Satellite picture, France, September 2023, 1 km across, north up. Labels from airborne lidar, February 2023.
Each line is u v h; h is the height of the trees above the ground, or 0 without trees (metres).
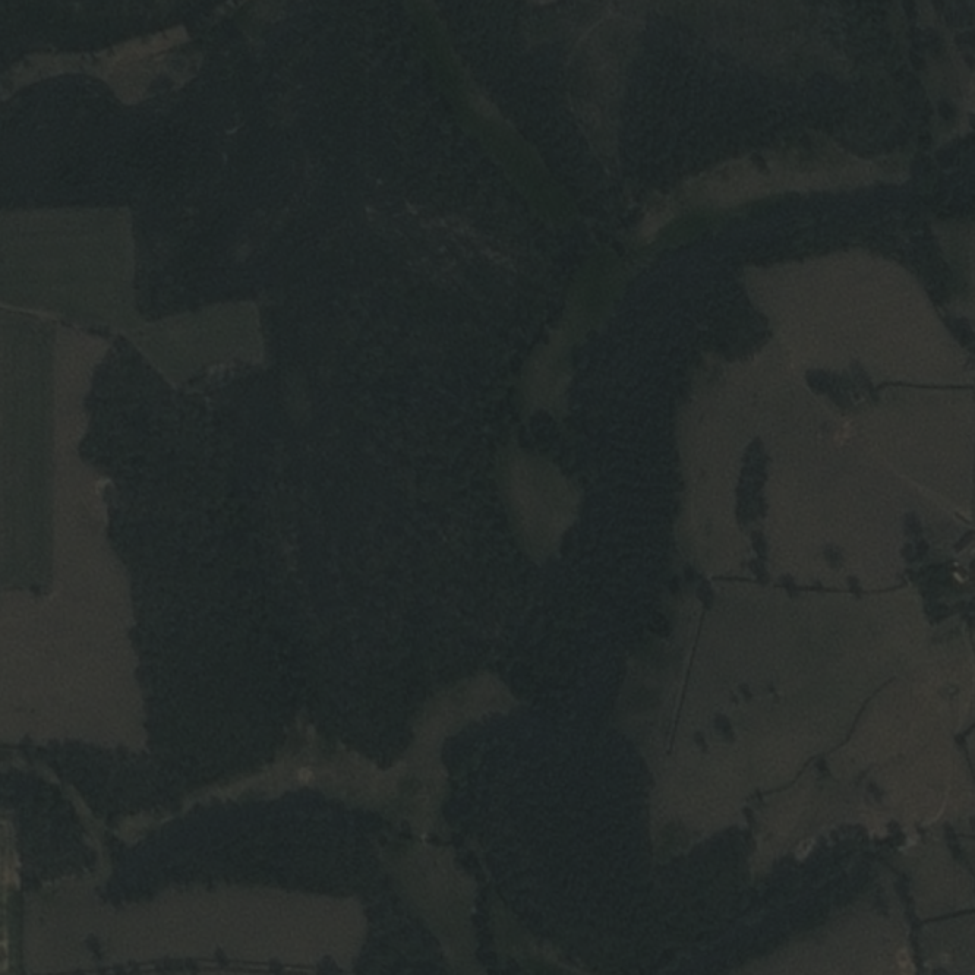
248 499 22
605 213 27
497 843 15
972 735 0
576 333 0
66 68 0
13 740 0
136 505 12
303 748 0
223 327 0
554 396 0
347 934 0
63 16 0
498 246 0
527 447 13
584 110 0
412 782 0
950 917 0
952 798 0
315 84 0
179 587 16
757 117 25
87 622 0
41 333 0
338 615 19
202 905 0
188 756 13
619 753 19
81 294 0
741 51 0
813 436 0
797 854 0
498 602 0
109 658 0
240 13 0
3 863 0
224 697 22
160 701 21
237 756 24
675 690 0
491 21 21
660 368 24
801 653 0
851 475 0
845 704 0
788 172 0
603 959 20
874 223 18
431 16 0
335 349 0
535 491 0
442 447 20
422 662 28
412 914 0
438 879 0
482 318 0
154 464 21
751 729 0
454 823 20
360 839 22
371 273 22
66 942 0
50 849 21
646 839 23
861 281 0
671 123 21
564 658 32
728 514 0
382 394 22
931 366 0
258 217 0
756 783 0
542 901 20
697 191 0
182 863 24
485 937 16
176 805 24
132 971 14
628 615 27
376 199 0
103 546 0
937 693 0
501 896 13
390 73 21
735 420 0
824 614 0
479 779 24
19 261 0
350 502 0
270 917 0
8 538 0
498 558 24
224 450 23
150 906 0
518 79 23
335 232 0
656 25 19
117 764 10
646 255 0
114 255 0
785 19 0
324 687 22
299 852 23
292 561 0
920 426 0
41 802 21
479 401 18
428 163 10
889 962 0
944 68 0
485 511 7
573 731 27
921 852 0
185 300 0
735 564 0
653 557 28
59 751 16
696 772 0
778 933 20
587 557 14
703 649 0
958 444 0
